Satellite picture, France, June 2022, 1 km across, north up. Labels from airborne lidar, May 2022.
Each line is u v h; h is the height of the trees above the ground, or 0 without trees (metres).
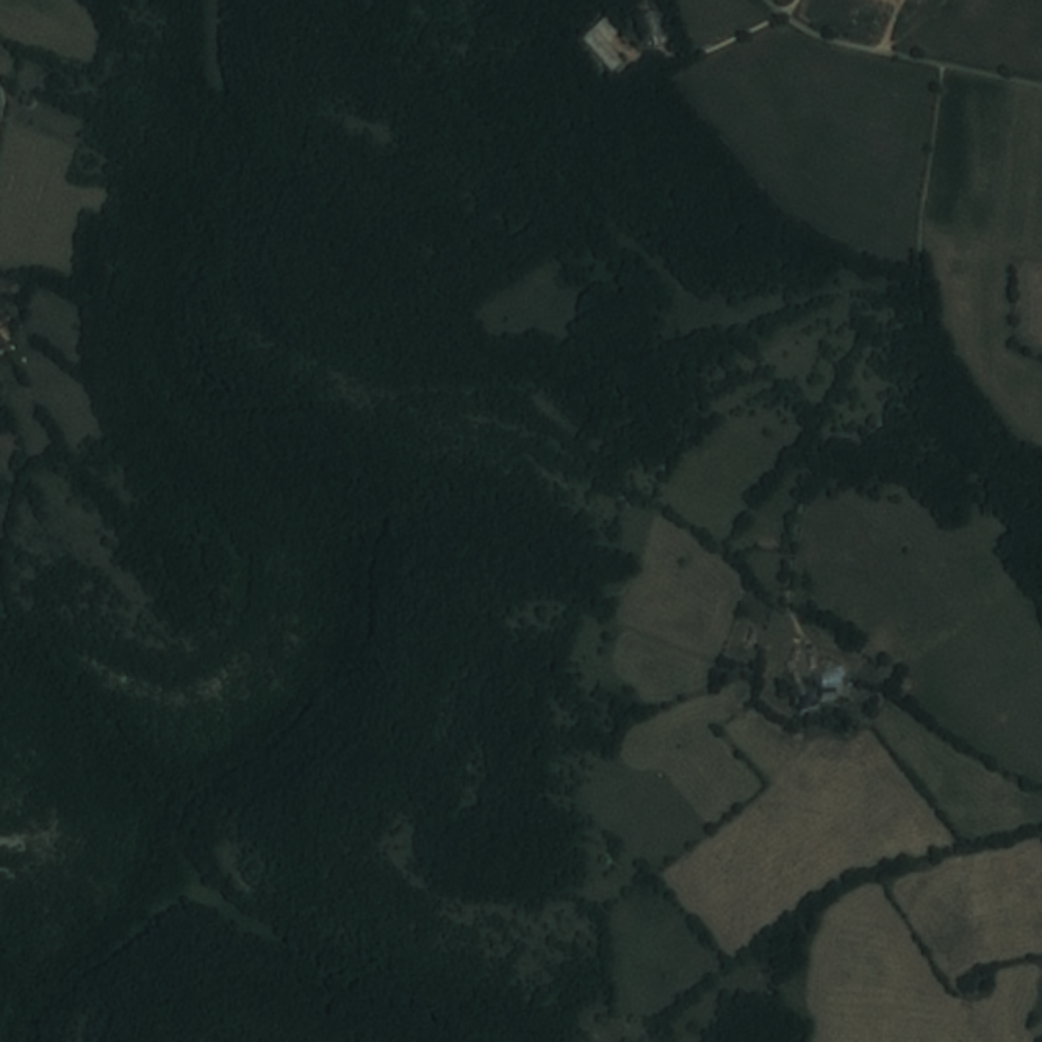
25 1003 13
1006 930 0
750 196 14
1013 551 18
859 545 0
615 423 10
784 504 0
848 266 13
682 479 0
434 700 8
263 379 10
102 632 8
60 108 8
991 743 0
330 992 16
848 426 9
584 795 0
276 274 11
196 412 8
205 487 15
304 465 19
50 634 10
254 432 19
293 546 7
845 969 0
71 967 10
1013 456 15
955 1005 0
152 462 13
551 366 14
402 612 16
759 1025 13
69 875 6
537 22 10
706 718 0
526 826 15
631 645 0
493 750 11
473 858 17
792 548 7
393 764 11
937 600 0
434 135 13
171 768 10
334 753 18
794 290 10
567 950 9
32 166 0
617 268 9
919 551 0
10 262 0
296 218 13
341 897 8
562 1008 8
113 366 13
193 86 14
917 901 0
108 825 8
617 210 14
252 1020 9
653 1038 6
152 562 9
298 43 10
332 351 12
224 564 11
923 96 0
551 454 10
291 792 16
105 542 10
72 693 11
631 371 14
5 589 12
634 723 9
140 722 8
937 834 0
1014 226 0
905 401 9
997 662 0
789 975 12
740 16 0
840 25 0
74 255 6
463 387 8
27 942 10
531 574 11
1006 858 0
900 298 11
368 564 13
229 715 7
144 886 15
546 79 15
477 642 11
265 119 8
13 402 0
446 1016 18
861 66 0
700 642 0
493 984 7
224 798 12
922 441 11
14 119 0
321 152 11
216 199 15
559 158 12
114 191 7
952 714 0
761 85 0
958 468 13
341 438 16
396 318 13
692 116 15
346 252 13
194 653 7
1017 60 0
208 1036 9
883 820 0
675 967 0
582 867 7
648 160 15
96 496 9
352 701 12
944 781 0
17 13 0
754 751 0
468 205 9
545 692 11
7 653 11
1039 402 0
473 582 11
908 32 0
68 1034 6
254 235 9
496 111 9
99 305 9
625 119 16
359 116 7
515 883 16
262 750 11
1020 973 0
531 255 10
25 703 10
